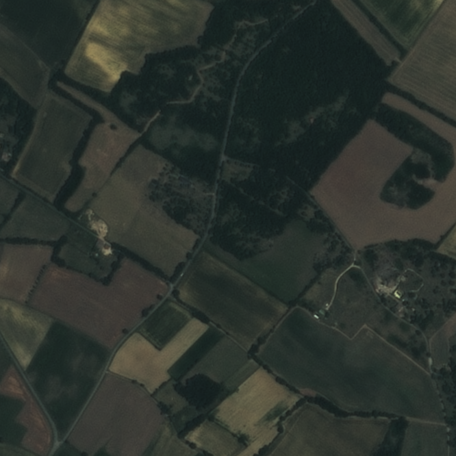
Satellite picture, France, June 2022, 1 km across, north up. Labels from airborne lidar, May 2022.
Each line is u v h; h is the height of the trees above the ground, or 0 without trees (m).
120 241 0
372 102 7
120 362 0
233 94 10
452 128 0
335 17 9
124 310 0
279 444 0
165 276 9
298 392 8
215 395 20
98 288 0
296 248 0
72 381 0
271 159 9
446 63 0
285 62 12
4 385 0
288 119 9
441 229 0
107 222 0
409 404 0
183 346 0
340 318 0
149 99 8
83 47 0
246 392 0
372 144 0
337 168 0
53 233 0
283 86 12
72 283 0
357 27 0
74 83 11
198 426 13
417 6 0
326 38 11
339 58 14
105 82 0
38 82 0
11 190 0
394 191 0
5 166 9
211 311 0
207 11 0
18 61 0
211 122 10
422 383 0
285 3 9
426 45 0
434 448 0
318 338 0
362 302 0
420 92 0
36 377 0
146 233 0
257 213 9
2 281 0
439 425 0
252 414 0
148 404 0
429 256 8
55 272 0
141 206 0
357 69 15
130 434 0
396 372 0
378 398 0
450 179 0
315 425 0
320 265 7
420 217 0
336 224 0
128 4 0
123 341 0
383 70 14
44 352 0
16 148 13
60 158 0
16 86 0
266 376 0
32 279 0
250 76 7
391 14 0
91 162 0
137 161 0
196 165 7
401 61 0
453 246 0
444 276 8
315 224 19
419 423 0
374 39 0
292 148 12
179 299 7
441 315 0
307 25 13
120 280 0
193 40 0
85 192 0
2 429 0
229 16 6
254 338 0
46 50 0
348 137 10
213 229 10
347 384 0
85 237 0
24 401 0
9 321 0
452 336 0
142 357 0
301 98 12
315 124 9
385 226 0
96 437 0
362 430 0
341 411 8
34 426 0
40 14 0
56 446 0
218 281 0
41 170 0
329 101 9
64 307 0
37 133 0
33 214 0
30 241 11
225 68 9
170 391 0
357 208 0
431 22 0
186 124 6
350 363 0
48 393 0
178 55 14
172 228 0
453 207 0
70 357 0
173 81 8
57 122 0
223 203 8
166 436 0
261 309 0
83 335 0
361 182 0
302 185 9
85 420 0
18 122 11
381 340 0
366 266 0
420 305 7
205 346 0
